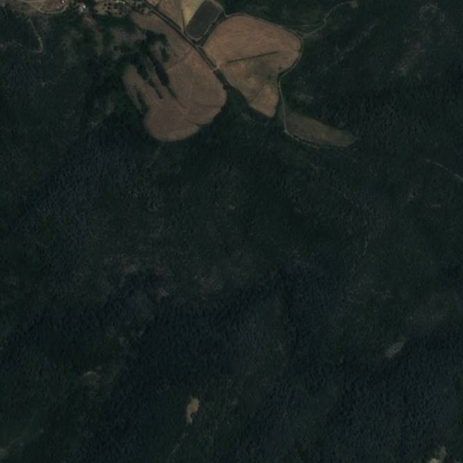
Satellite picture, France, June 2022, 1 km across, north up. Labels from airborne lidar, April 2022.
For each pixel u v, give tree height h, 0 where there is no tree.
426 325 6
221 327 14
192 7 0
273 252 11
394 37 7
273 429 12
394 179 9
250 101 0
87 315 7
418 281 10
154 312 9
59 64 6
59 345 21
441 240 9
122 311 8
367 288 7
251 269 7
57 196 10
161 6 0
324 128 0
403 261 11
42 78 7
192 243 6
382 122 13
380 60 6
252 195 11
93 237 11
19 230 13
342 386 12
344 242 8
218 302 12
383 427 16
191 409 0
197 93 0
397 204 11
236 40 0
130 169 12
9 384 18
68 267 10
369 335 10
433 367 12
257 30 0
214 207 9
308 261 6
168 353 12
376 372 14
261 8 0
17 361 19
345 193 11
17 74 15
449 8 6
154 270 7
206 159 9
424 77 12
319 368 21
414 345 12
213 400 10
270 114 0
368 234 12
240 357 11
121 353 9
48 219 10
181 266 6
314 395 10
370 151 9
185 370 19
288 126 0
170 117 0
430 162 8
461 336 11
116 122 8
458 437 12
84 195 11
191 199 9
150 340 18
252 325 7
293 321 12
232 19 0
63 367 12
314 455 13
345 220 11
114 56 0
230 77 0
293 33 0
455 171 8
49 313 16
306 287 7
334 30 0
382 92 13
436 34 6
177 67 0
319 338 9
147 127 0
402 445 15
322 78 7
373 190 10
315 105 9
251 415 11
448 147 8
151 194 13
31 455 10
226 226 7
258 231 10
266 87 0
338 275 11
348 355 17
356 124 15
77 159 11
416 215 13
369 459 8
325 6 0
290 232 11
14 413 8
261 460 15
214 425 14
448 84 10
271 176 12
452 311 8
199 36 0
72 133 8
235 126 8
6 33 7
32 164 10
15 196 9
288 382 10
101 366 13
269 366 12
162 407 6
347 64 6
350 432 8
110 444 6
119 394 8
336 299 9
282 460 9
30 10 0
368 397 12
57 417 12
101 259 7
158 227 6
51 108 9
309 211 9
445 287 9
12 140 8
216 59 0
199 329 8
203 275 7
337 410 12
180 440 9
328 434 13
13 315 8
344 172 9
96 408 11
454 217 12
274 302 8
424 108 8
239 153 10
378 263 10
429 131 7
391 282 10
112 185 6
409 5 7
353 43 10
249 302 11
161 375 14
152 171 8
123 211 9
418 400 10
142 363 16
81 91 9
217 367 15
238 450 18
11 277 14
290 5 0
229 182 9
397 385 11
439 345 18
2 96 13
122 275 9
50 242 6
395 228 12
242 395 11
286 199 12
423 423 13
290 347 11
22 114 8
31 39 7
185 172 10
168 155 6
